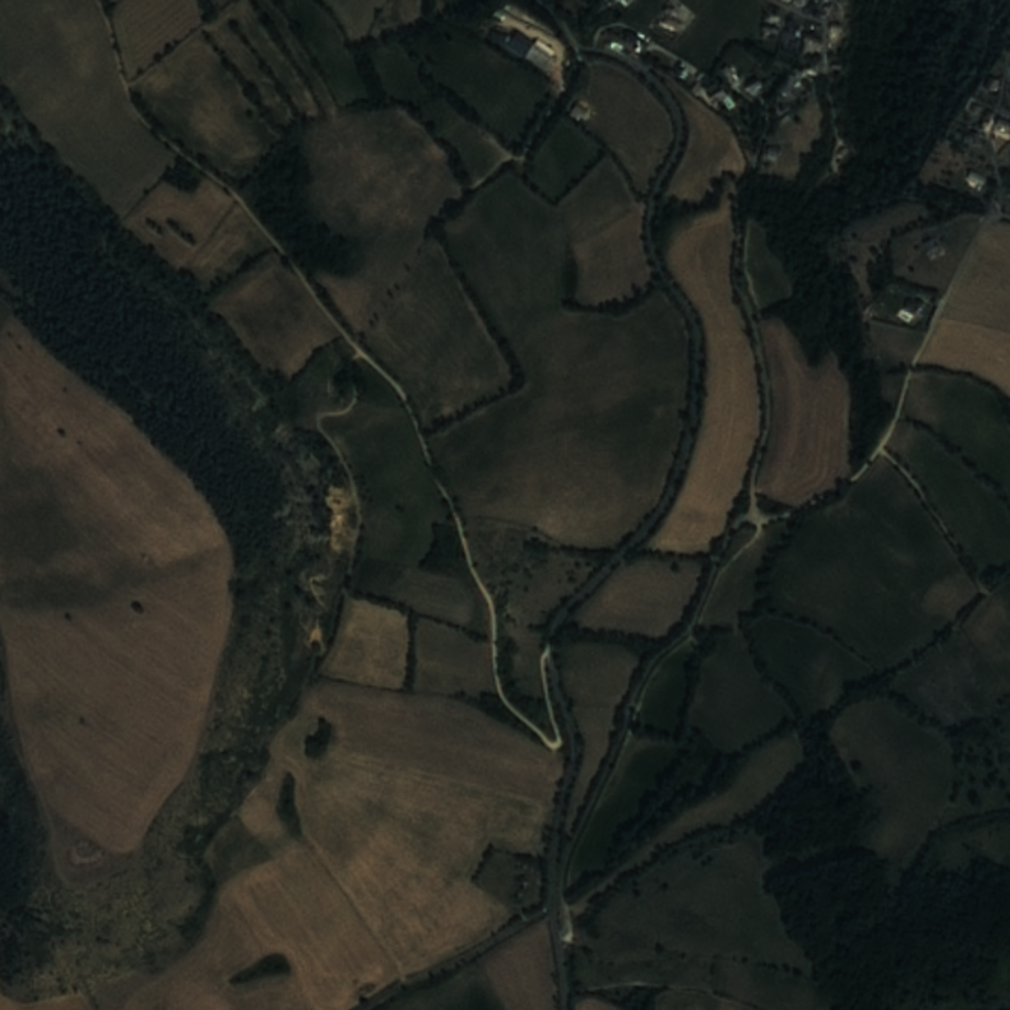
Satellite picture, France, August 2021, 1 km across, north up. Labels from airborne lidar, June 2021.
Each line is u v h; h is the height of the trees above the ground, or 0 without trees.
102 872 0
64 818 0
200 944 0
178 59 0
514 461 0
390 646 0
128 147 0
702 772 0
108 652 0
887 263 8
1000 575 14
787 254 11
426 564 7
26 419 0
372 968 0
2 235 15
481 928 0
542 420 0
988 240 0
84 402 0
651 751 0
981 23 7
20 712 0
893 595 0
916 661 7
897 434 0
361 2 0
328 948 0
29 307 8
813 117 0
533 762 0
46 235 19
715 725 0
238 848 0
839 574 0
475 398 0
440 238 9
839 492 10
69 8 0
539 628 8
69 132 0
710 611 0
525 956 0
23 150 13
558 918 0
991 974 9
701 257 0
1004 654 0
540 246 0
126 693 0
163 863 0
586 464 0
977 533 0
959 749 9
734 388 0
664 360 0
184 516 0
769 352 0
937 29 9
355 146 0
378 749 0
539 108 10
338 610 7
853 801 18
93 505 0
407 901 0
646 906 0
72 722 0
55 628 0
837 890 18
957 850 0
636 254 0
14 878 11
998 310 0
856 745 0
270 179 10
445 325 0
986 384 6
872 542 0
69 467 0
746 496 9
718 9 0
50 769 0
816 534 0
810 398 0
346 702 0
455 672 0
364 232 0
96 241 16
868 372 12
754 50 15
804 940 16
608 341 0
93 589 0
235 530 9
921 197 7
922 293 8
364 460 0
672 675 0
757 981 0
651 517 9
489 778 0
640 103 0
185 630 0
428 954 0
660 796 10
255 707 0
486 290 0
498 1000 0
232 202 0
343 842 0
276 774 0
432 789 0
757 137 8
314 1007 0
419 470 0
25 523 0
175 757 0
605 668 0
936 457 0
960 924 18
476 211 0
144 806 0
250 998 0
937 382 0
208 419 18
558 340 0
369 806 0
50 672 0
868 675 0
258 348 0
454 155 9
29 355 0
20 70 0
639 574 0
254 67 0
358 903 0
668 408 0
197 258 0
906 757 0
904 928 16
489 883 0
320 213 0
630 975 0
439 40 0
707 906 0
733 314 0
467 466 0
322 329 0
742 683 0
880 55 14
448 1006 0
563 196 6
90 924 0
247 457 7
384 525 0
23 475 0
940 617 0
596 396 0
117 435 0
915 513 0
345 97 0
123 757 0
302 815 0
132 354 20
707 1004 0
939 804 0
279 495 11
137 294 7
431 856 0
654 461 0
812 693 0
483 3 20
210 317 7
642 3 0
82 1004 0
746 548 0
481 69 0
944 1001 7
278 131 8
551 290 0
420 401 0
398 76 0
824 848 11
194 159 9
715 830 9
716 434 0
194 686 0
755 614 11
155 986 0
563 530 0
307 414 0
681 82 8
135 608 8
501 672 9
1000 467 0
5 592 0
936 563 0
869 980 9
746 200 13
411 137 0
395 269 0
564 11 13
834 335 11
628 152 0
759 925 0
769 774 0
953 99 6
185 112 0
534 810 0
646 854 0
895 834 0
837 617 0
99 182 0
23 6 0
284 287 0
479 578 0
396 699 0
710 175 0
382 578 0
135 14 0
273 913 0
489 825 0
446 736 0
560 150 0
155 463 0
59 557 0
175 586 0
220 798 0
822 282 11
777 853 14
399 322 0
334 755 0
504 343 14
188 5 0
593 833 0
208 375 7
